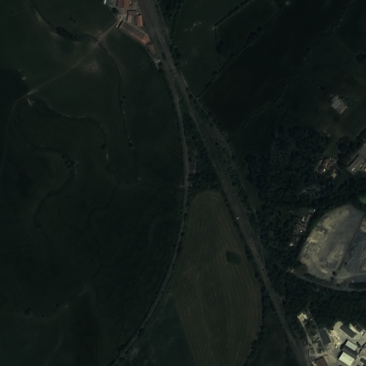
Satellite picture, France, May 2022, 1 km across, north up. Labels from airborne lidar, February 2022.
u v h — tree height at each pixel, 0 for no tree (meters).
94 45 0
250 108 0
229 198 0
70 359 0
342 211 0
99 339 0
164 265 0
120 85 0
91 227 0
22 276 0
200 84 0
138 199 0
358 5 0
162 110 0
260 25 0
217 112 0
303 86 0
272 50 0
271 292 0
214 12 0
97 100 0
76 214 0
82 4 0
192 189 13
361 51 0
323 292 6
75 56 0
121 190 0
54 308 0
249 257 13
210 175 16
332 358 0
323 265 0
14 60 0
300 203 19
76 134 0
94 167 0
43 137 0
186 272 0
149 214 0
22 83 0
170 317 0
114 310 0
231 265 0
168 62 0
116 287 0
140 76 0
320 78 0
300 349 0
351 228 0
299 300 13
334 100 0
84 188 0
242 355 0
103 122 0
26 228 0
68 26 0
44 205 0
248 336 0
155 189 0
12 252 0
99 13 0
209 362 0
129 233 0
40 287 0
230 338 0
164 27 0
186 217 7
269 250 13
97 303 0
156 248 0
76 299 0
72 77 0
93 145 0
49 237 0
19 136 0
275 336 0
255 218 10
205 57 0
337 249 0
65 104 0
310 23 0
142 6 0
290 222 12
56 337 0
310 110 0
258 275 14
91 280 0
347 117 0
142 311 0
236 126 0
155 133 0
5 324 0
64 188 0
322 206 18
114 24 0
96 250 0
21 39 0
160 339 0
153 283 0
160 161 0
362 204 17
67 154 0
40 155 0
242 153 0
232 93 0
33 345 0
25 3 0
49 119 0
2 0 0
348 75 0
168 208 0
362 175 0
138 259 0
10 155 0
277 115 0
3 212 0
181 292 0
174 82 0
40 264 0
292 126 0
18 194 0
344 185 9
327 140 16
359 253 0
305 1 0
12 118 0
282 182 9
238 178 6
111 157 0
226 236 0
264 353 0
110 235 0
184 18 0
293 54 0
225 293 0
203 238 0
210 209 0
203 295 0
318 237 0
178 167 0
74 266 0
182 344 0
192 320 0
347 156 23
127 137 0
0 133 0
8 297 0
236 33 0
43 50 0
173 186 0
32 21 0
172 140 0
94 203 0
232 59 10
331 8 0
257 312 0
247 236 0
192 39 0
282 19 0
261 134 0
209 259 0
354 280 0
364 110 0
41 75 0
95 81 0
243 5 11
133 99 0
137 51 0
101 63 0
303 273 0
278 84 0
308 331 0
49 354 0
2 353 0
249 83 0
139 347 0
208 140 0
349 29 0
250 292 0
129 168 0
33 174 0
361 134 8
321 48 0
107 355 0
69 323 0
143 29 0
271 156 13
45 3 0
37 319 0
